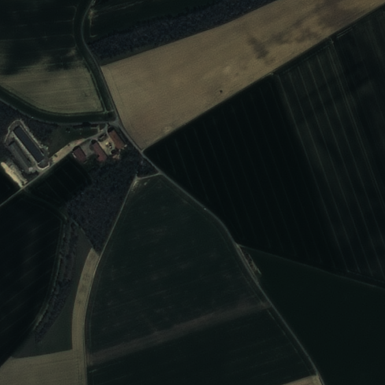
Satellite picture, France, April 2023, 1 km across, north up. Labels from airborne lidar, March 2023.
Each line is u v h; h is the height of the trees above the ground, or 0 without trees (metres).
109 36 8
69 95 0
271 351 0
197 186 0
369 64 0
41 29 0
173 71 0
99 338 0
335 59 0
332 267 0
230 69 0
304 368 0
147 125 0
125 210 0
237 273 0
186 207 0
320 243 0
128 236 0
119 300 0
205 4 0
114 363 0
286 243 0
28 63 0
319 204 0
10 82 0
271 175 0
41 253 0
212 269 0
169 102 0
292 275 0
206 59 0
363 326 0
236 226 0
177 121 0
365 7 0
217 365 0
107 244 0
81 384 0
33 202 0
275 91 0
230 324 0
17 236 0
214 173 0
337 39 0
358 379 0
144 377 0
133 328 0
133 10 0
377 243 0
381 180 0
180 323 0
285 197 0
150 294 0
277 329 0
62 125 0
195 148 0
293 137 0
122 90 0
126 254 0
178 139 0
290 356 0
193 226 0
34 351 0
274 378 0
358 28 0
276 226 0
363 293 0
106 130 0
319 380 0
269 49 0
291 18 0
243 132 0
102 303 0
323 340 0
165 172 0
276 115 0
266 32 0
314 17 0
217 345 0
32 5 0
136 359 0
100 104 0
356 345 0
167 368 0
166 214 0
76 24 0
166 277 0
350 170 0
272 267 0
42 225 0
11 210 0
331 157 0
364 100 0
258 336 0
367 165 0
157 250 0
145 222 0
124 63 0
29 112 0
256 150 0
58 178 0
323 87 0
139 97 0
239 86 0
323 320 0
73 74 0
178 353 0
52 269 0
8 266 0
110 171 12
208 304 0
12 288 0
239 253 0
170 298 0
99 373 0
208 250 0
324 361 0
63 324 0
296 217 0
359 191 0
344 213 0
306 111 0
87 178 0
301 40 0
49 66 0
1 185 0
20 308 0
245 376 0
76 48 0
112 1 0
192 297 0
